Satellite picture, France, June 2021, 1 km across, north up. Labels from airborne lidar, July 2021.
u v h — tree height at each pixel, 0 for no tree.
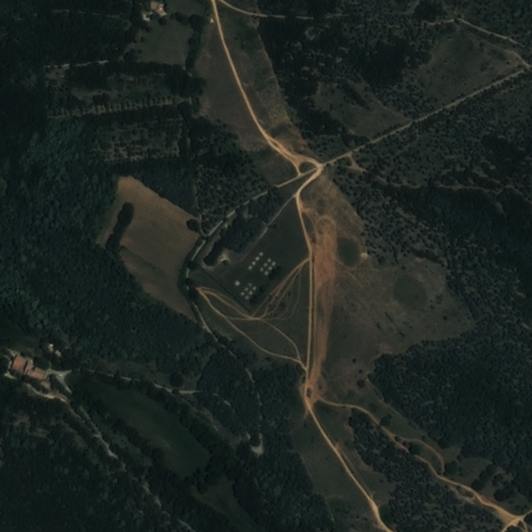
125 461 14
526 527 0
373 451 10
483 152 11
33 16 6
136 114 17
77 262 22
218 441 6
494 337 13
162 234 0
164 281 0
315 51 11
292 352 0
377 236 13
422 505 12
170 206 0
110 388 0
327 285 0
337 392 0
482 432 9
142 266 0
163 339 18
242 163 15
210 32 0
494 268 13
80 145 19
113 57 15
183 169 21
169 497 12
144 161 9
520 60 0
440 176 10
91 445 10
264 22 10
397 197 11
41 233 17
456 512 12
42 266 18
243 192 12
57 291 17
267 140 0
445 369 14
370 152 11
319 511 14
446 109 10
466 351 10
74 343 8
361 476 0
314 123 13
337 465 0
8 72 18
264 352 0
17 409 10
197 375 7
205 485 18
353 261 0
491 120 13
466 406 12
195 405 10
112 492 9
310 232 0
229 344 12
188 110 16
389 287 0
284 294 0
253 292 0
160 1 6
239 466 10
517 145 12
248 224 16
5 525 8
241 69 0
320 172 0
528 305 8
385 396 13
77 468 12
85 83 7
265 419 15
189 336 17
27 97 16
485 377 11
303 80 14
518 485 13
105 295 18
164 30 0
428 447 0
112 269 19
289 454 12
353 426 12
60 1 13
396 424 0
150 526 12
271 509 11
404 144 12
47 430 8
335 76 13
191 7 0
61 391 9
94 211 11
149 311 16
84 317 18
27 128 17
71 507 14
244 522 0
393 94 12
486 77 0
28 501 12
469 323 0
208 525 11
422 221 9
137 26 12
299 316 0
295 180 0
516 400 14
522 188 11
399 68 11
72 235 21
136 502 15
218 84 0
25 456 14
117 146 8
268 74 0
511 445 12
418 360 12
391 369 12
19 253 27
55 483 11
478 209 9
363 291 0
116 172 12
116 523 9
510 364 13
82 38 11
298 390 0
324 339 0
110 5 7
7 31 9
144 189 0
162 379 0
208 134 12
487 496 0
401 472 10
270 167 0
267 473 15
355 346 0
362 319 0
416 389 9
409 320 0
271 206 13
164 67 13
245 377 10
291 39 13
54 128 24
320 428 0
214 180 12
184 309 0
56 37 12
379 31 13
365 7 11
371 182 10
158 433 0
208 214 5
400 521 13
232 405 8
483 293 12
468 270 14
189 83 14
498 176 11
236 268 0
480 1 11
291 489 9
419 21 9
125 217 14
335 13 9
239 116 0
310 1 11
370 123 0
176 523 12
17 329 0
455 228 11
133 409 0
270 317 0
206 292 0
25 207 18
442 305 0
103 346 14
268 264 0
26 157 16
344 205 0
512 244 12
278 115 0
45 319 15
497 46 0
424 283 0
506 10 14
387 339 0
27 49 16
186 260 6
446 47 0
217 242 11
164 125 8
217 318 0
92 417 10
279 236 0
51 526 11
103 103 8
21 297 8
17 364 0
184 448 0
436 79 0
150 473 14
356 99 10
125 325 14
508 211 13
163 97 8
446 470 9
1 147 17
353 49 10
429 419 12
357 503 0
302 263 0
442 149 10
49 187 16
